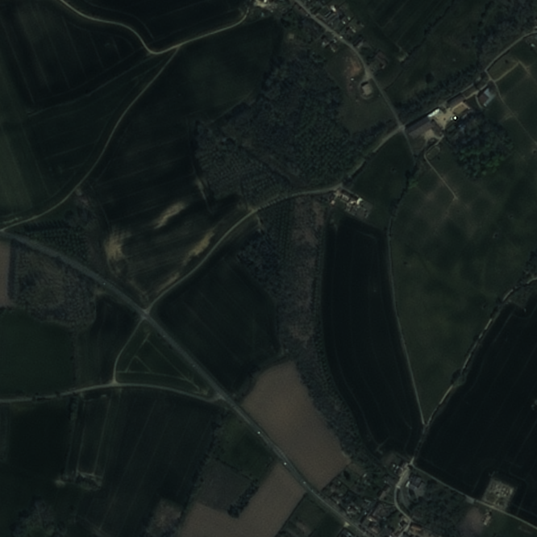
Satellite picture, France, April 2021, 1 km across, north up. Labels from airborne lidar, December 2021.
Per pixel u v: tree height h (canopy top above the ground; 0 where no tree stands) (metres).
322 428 0
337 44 0
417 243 0
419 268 0
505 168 0
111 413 0
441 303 0
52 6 0
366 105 0
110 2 0
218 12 0
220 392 0
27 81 0
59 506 0
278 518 0
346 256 0
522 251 0
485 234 0
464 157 14
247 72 0
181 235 0
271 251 18
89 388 0
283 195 16
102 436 0
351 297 0
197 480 16
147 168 0
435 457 0
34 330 0
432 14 0
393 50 0
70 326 13
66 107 0
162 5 0
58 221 0
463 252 0
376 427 0
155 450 0
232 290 0
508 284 0
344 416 7
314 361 8
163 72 0
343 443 18
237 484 0
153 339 0
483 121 23
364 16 0
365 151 24
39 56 0
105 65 0
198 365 0
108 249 0
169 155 0
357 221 0
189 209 0
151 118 0
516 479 0
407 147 0
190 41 0
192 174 0
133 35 0
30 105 0
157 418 0
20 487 0
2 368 0
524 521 0
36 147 0
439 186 0
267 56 0
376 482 10
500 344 0
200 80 0
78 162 0
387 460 0
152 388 0
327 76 10
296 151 20
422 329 0
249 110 20
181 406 0
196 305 0
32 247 0
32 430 0
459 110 0
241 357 0
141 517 0
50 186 0
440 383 0
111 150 0
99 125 0
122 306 0
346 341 0
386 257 0
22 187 0
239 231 0
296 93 28
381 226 0
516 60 0
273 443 0
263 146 24
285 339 17
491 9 13
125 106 0
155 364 0
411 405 0
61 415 0
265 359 0
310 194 0
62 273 0
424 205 0
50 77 0
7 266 0
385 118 0
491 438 0
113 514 0
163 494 0
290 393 0
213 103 0
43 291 0
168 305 0
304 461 0
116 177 0
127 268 0
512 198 0
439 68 0
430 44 0
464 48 9
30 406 0
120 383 0
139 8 0
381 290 0
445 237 0
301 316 11
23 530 17
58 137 0
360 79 0
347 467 0
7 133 0
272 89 27
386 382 0
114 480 0
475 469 0
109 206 0
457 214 0
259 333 0
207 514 0
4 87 0
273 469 0
